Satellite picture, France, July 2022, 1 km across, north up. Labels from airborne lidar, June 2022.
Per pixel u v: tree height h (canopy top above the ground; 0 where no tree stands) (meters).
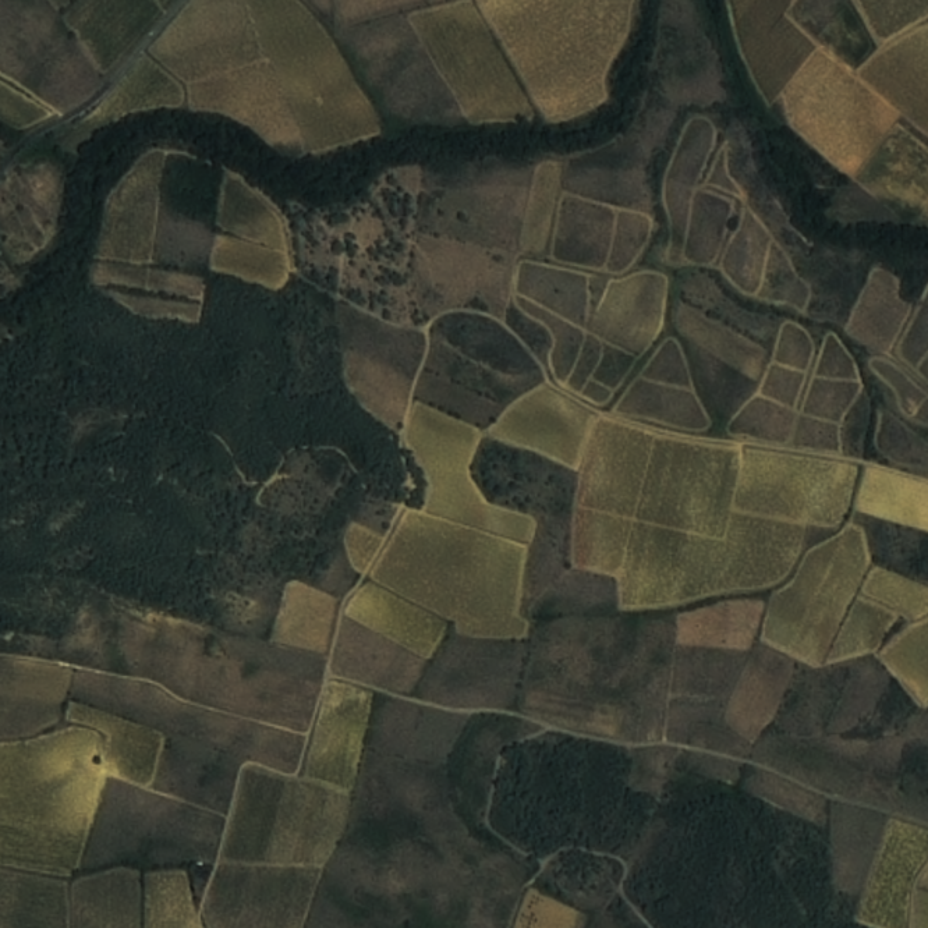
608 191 0
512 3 0
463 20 0
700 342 0
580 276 0
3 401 5
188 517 6
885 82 0
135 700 0
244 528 10
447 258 0
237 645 0
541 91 0
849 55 0
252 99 0
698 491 0
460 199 0
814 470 0
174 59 0
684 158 0
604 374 0
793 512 0
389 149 15
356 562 0
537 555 0
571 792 8
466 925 0
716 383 0
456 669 0
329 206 9
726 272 0
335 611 0
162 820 0
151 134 23
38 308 8
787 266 0
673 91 0
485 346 0
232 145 14
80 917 0
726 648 0
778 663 0
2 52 0
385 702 0
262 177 12
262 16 0
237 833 0
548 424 0
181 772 0
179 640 0
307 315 6
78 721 0
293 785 0
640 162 0
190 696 0
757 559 0
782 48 0
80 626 0
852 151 0
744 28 0
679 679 0
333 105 0
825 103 0
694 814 7
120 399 9
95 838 0
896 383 0
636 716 0
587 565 0
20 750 0
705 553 0
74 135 0
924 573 10
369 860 0
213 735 0
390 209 8
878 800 0
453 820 0
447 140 13
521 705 0
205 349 7
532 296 0
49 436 7
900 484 0
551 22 0
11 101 0
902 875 0
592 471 0
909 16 0
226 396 7
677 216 0
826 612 0
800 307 0
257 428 7
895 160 0
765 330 0
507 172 0
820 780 0
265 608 0
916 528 0
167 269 8
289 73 0
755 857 11
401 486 8
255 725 0
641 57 8
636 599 0
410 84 0
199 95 0
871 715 0
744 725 0
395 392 0
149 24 0
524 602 0
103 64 0
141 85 0
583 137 16
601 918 0
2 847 0
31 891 0
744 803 8
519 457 8
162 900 0
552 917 0
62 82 0
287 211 13
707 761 0
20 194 0
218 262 0
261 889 0
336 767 0
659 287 0
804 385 0
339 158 10
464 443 0
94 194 16
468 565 0
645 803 7
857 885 0
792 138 9
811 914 8
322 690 0
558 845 12
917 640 0
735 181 0
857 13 0
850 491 0
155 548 7
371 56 0
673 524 0
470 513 0
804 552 0
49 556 8
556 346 0
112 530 6
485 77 0
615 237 0
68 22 0
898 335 0
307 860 0
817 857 7
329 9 0
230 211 0
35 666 0
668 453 0
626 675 0
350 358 0
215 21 0
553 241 0
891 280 0
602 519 0
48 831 0
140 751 0
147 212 0
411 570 0
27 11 0
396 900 0
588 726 0
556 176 0
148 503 7
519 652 0
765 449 0
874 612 0
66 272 16
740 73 10
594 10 0
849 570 0
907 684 0
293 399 9
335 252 9
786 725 0
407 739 0
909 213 0
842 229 18
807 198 16
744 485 0
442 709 0
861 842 0
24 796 0
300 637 0
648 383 0
